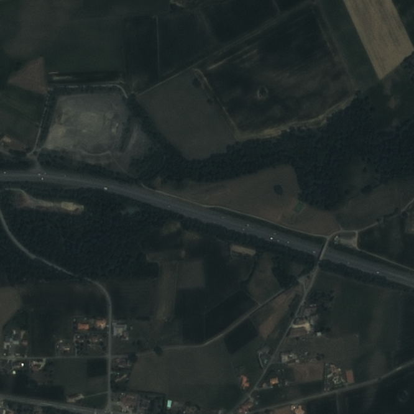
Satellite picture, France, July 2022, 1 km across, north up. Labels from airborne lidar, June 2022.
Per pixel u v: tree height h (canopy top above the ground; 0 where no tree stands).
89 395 0
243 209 0
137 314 0
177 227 0
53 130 0
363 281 11
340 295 0
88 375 0
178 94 0
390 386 0
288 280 15
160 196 0
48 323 0
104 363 0
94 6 0
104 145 0
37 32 0
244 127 0
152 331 0
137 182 15
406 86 0
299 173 18
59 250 29
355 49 0
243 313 0
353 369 0
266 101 0
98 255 27
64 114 0
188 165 21
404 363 0
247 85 0
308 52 0
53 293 0
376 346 0
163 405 6
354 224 0
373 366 0
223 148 0
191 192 0
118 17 0
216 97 0
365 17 0
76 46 0
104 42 0
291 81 0
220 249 0
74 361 0
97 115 0
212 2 0
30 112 0
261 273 0
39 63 0
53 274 22
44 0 0
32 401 0
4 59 0
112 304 0
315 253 0
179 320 0
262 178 0
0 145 0
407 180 0
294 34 0
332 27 0
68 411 7
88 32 0
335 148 20
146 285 0
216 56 0
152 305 0
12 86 0
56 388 0
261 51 0
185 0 0
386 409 0
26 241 25
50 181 0
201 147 0
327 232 0
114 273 21
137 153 0
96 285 0
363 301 0
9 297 0
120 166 0
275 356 0
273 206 0
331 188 25
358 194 0
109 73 0
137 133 0
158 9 0
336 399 0
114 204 20
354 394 0
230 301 0
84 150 0
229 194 0
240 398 0
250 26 0
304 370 0
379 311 0
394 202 0
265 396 0
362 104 11
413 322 0
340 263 0
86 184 0
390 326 0
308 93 0
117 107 0
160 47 0
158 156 10
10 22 0
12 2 0
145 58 0
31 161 0
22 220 15
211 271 0
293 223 0
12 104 0
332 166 23
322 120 0
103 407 0
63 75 0
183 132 0
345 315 0
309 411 0
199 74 0
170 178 32
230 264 0
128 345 0
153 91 0
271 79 0
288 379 0
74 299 0
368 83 0
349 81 0
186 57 0
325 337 0
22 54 0
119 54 0
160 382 0
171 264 0
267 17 0
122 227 23
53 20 0
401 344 0
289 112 0
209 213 0
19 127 0
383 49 0
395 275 0
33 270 18
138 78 0
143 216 21
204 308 0
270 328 0
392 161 30
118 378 0
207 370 0
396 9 0
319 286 0
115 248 28
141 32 0
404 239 0
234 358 0
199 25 0
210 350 0
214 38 0
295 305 0
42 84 0
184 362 0
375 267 0
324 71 0
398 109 0
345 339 0
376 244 0
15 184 6
